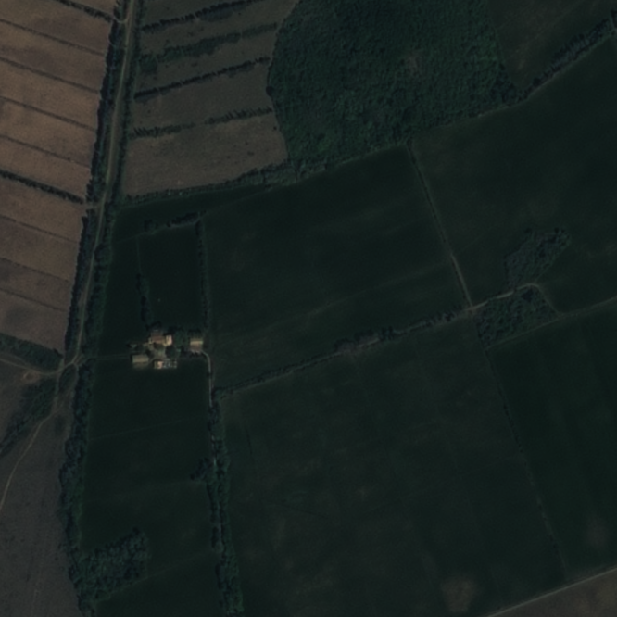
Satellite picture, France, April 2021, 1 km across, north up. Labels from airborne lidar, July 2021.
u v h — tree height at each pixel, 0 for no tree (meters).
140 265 0
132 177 0
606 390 0
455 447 0
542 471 0
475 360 0
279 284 0
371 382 0
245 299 0
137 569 18
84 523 0
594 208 0
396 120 7
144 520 0
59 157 0
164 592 0
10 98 0
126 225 0
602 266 0
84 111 0
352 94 14
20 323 0
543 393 0
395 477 0
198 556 0
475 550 0
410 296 0
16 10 0
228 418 0
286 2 0
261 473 0
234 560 10
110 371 0
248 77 0
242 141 0
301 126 6
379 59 7
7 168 0
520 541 0
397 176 0
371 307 0
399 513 0
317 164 12
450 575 0
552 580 0
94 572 19
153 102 0
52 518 0
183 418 0
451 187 0
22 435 0
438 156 0
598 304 0
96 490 0
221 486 19
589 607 0
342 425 0
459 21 12
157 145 0
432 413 0
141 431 0
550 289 0
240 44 0
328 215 0
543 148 0
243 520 0
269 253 0
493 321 7
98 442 0
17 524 0
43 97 0
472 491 0
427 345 0
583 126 0
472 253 0
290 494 0
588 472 0
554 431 0
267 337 0
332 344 0
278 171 14
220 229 0
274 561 0
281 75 9
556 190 0
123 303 0
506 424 0
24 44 0
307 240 0
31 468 0
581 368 0
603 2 0
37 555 0
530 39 0
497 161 0
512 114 0
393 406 0
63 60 0
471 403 0
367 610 0
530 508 0
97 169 14
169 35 0
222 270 0
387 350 0
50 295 0
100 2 0
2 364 0
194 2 0
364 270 0
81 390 15
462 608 0
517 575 0
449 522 0
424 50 7
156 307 0
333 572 0
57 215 0
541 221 0
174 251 0
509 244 0
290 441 0
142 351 11
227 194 0
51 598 0
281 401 0
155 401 0
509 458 0
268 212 0
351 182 0
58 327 0
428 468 0
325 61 13
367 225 0
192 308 0
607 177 0
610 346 0
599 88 0
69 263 0
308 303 0
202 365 0
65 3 12
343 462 0
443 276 0
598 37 14
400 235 0
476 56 13
